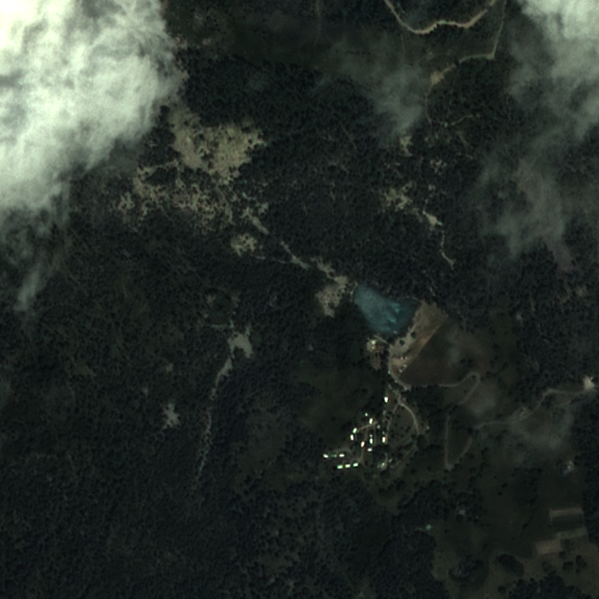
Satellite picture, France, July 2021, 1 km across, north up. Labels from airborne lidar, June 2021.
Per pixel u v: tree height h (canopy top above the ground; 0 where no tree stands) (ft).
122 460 44
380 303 0
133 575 25
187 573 23
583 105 32
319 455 47
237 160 0
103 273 28
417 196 36
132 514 21
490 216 35
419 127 27
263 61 0
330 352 49
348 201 32
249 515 63
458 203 27
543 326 35
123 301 27
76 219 20
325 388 0
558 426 36
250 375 48
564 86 42
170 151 33
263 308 60
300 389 44
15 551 48
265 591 36
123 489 21
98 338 57
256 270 56
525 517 0
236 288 33
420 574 51
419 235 42
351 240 64
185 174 32
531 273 74
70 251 41
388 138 52
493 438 51
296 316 28
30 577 59
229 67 113
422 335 0
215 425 40
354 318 28
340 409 0
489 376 29
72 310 28
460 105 34
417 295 82
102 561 27
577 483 0
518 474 24
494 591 0
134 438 27
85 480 50
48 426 28
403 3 78
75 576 55
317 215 45
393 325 0
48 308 22
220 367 36
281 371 29
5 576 24
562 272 19
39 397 24
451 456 0
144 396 32
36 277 44
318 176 23
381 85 81
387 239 67
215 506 21
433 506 53
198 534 32
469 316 73
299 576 40
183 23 0
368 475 23
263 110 104
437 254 52
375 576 24
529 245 31
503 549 0
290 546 18
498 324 0
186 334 42
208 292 60
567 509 0
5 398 33
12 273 39
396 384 45
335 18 79
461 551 0
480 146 27
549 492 0
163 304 32
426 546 61
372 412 43
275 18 0
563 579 31
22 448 29
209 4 21
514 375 0
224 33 29
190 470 21
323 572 28
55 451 20
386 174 37
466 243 32
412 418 0
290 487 24
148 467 23
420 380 0
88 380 68
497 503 0
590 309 34
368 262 41
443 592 47
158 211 35
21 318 26
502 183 25
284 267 38
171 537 30
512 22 19
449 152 47
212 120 63
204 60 23
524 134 35
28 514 33
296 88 91
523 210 31
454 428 22
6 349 51
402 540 52
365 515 50
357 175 42
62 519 26
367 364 26
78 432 30
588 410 30
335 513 47
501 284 69
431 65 0
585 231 55
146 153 34
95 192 25
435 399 35
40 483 37
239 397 40
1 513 75
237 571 46
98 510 63
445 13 94
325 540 24
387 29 79
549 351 54
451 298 63
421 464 0
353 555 31
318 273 31
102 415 47
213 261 47
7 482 51
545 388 34
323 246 46
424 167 63
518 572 41
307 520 46
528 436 0
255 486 29
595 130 64
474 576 29
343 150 23
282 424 42
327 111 92
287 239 48
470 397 0
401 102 27
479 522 35
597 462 64
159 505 21
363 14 82
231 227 39
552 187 50
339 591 36
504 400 0
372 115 87
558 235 35
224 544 34
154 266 23
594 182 52
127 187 47
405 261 55
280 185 40
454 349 0
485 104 77
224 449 51
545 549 0
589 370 46
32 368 59
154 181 35
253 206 24
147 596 32
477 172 26
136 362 22
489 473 0
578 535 0
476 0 22
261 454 0
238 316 44
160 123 33
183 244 34
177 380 30
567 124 27
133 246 37
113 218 38
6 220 82
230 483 41
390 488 31
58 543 27
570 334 40
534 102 52
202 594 39
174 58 41
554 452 0
